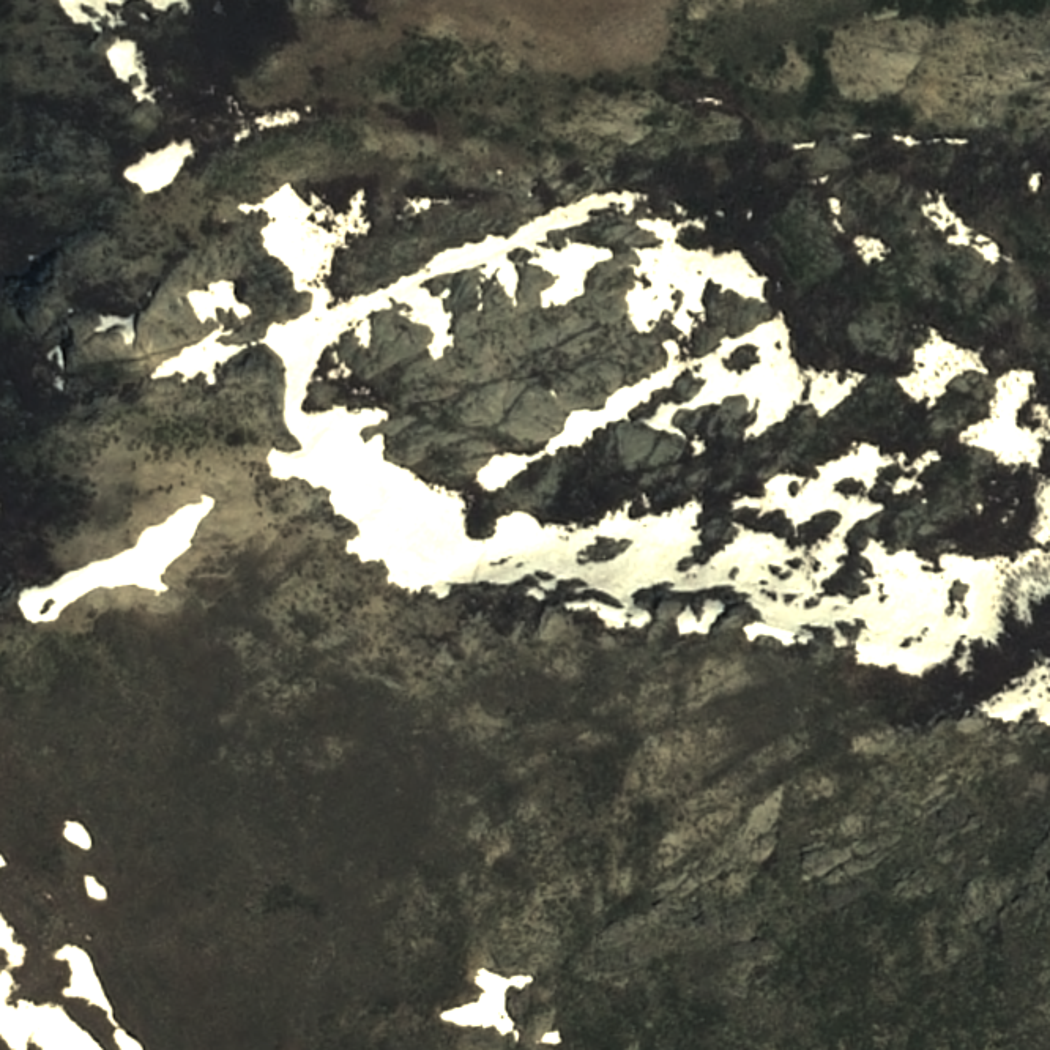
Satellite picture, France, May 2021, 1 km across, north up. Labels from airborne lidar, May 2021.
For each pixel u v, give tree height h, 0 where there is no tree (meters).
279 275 0
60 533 0
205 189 0
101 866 0
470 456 0
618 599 0
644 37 0
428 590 0
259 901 0
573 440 0
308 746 0
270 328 0
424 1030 0
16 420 0
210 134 0
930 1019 0
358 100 0
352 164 0
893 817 0
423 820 0
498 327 0
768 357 0
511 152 0
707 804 0
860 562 0
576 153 0
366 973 0
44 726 0
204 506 0
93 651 0
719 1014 0
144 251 0
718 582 0
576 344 0
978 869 0
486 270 0
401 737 0
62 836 0
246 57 0
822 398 0
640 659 0
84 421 0
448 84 0
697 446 0
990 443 0
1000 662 0
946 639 0
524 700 0
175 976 0
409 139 0
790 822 0
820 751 0
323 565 0
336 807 0
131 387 0
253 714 0
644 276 0
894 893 0
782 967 0
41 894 0
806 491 0
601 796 0
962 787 0
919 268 0
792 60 0
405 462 0
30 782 0
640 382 0
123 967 0
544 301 0
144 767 0
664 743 0
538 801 0
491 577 0
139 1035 0
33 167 0
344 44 0
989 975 0
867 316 0
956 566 0
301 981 0
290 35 0
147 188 0
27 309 0
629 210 0
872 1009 0
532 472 0
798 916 0
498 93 0
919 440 0
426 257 0
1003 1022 0
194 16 0
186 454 0
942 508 0
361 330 0
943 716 0
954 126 0
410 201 0
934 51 0
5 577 0
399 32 0
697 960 0
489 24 0
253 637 0
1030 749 0
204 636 0
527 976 0
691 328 0
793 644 0
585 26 0
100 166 0
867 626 0
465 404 0
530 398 0
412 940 0
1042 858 0
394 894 0
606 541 0
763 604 0
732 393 0
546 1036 0
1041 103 0
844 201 0
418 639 0
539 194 0
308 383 0
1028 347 0
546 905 0
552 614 0
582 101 0
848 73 0
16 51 0
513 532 0
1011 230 0
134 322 0
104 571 0
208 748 0
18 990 0
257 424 0
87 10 0
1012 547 0
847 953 0
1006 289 0
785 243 0
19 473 0
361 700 0
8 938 0
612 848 0
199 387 0
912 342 0
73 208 0
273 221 0
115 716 0
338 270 0
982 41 0
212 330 0
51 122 0
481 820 0
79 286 0
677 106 0
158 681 0
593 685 0
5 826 0
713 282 0
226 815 0
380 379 0
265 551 0
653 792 0
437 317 0
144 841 0
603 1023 0
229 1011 0
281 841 0
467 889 0
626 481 0
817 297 6
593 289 0
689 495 0
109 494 0
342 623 0
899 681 0
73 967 0
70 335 0
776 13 0
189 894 0
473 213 0
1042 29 0
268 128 0
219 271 0
